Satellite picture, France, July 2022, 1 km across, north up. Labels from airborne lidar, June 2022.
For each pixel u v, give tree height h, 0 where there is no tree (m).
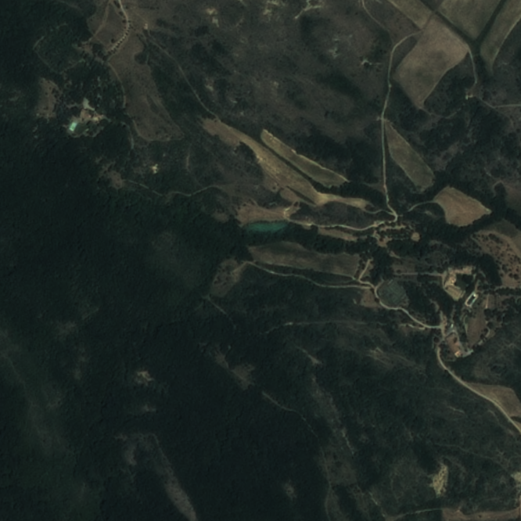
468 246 6
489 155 6
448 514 0
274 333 9
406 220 5
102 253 15
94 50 8
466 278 12
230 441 9
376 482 6
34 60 8
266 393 6
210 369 8
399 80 0
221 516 9
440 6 0
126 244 7
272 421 6
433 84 0
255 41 0
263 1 0
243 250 19
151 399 9
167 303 7
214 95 0
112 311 7
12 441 13
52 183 17
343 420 8
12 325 8
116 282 14
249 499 10
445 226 11
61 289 11
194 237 11
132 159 7
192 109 9
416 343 7
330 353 7
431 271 8
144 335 17
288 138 6
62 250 21
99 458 11
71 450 7
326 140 5
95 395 18
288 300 6
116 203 18
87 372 8
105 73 9
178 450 12
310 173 0
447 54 0
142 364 7
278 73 0
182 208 13
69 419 6
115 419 9
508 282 0
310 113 0
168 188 7
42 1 5
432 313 6
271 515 9
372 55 0
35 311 8
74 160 15
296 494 6
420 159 0
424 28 0
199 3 0
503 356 0
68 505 6
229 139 0
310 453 7
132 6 0
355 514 8
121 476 6
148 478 10
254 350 11
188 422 13
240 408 8
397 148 0
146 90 0
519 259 9
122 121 10
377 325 6
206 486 14
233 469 9
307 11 0
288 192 0
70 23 8
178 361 17
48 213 17
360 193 12
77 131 0
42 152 14
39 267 16
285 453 8
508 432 0
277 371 9
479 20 0
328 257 0
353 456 7
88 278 13
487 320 8
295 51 0
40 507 16
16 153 16
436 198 0
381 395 6
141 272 16
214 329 10
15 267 20
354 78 0
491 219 13
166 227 6
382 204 6
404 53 0
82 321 8
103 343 9
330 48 0
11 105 9
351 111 0
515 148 6
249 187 0
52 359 8
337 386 6
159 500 11
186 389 12
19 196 19
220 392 10
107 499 11
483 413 0
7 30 9
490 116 7
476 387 0
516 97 0
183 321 9
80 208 19
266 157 0
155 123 0
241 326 11
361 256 11
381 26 0
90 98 6
